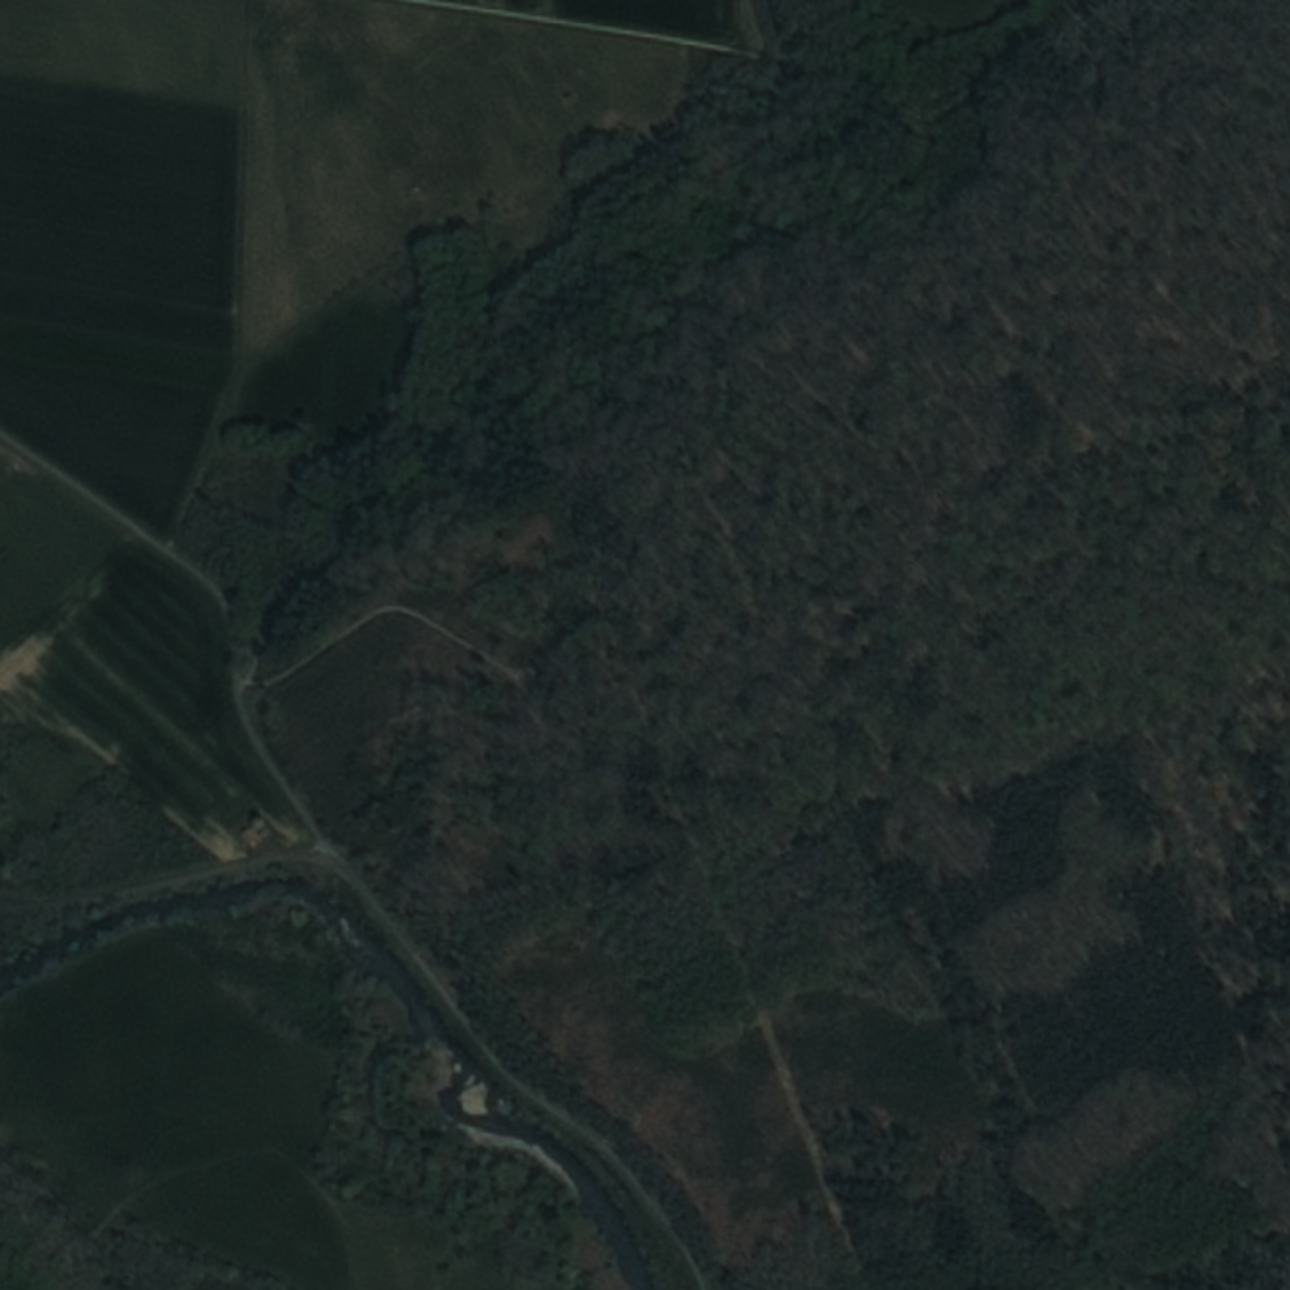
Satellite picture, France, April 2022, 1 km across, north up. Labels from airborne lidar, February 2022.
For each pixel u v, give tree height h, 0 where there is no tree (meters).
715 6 0
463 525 21
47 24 0
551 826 31
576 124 0
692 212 25
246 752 0
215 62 0
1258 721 24
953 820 27
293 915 7
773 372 28
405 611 0
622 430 29
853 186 27
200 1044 0
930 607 32
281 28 0
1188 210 29
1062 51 29
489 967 24
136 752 0
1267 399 26
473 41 0
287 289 0
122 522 0
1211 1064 22
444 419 31
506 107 0
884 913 18
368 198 0
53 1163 0
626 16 0
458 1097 0
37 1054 0
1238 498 18
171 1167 0
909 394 32
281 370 0
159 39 0
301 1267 0
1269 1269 16
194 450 0
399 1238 0
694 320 29
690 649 32
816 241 31
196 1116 0
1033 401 31
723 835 21
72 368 0
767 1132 0
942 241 31
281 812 0
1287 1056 27
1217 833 29
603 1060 0
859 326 30
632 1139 25
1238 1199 24
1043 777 24
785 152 29
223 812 0
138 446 0
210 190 0
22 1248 20
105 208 0
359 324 0
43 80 0
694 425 28
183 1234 0
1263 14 31
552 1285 15
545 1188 19
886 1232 18
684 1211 24
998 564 30
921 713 23
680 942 20
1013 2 0
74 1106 0
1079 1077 20
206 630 0
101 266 0
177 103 0
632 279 18
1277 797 12
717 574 31
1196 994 20
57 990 0
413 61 0
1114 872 27
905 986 23
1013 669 23
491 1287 0
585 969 0
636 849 22
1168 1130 29
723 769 29
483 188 0
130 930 11
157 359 0
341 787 0
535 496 35
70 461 0
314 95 0
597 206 25
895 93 24
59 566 0
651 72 0
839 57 23
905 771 23
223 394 0
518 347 32
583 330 35
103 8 0
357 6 0
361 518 14
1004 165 29
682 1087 0
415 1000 0
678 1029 21
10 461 0
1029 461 26
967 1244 20
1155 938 20
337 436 0
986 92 21
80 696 0
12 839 0
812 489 31
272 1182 0
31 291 0
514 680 0
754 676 27
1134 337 27
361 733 0
